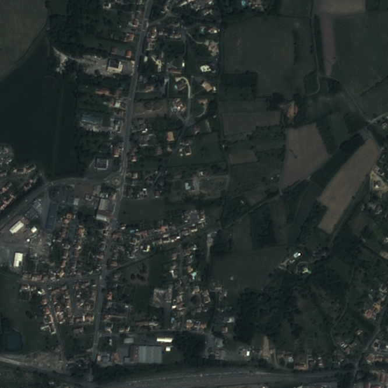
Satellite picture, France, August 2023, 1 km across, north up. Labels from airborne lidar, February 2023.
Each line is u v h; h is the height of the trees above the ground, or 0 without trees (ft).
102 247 0
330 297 0
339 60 0
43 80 0
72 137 0
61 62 0
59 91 0
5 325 39
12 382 0
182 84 0
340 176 0
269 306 20
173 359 0
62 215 33
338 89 34
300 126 20
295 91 0
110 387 0
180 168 0
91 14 0
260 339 0
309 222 43
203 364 27
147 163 0
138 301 0
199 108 0
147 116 0
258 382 0
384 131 0
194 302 40
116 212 0
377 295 22
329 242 27
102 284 0
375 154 0
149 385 0
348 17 0
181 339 27
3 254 0
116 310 20
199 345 39
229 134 0
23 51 0
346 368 40
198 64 0
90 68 0
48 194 0
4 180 0
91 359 18
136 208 0
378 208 0
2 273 0
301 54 0
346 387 36
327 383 0
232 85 23
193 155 0
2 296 0
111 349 0
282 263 0
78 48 25
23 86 0
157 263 0
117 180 0
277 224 0
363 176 0
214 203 28
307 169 0
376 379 32
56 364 0
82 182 0
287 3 0
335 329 20
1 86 0
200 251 37
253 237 23
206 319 0
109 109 0
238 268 0
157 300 0
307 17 0
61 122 0
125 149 0
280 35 0
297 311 25
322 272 23
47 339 30
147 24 0
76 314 0
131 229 46
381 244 26
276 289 24
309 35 0
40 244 0
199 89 0
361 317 0
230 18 67
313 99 0
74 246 17
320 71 0
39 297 26
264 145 0
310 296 43
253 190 0
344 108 0
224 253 37
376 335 0
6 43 0
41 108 0
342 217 0
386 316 19
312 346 0
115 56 32
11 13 0
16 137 0
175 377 0
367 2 0
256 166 0
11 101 0
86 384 0
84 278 0
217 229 0
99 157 0
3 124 0
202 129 0
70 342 0
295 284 50
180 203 25
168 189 20
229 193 23
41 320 0
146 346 0
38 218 0
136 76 0
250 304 60
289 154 0
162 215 0
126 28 0
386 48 0
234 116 0
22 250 0
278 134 20
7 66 0
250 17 0
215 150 0
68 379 0
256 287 0
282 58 0
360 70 0
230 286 0
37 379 0
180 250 0
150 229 0
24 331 0
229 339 0
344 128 0
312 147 0
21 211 0
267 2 51
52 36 37
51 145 0
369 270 24
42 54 0
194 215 0
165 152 30
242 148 0
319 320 0
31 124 0
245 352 0
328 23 0
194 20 26
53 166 0
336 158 0
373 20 0
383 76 0
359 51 0
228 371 0
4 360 0
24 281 0
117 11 0
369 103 0
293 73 0
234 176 0
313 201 0
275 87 0
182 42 0
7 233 0
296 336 57
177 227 0
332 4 0
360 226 0
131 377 0
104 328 0
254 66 0
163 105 0
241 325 58
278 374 0
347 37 0
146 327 25
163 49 43
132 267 0
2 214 31
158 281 0
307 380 0
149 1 0
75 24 71
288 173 0
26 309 0
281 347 0
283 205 0
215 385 0
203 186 0
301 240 51
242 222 0
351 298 0
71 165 0
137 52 0
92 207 0
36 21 0
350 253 28
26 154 0
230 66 0
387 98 0
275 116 0
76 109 21
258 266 0
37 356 0
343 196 0
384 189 0
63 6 0
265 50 0
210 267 43
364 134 0
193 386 0
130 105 0
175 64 0
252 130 0
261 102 0
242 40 0
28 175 0
